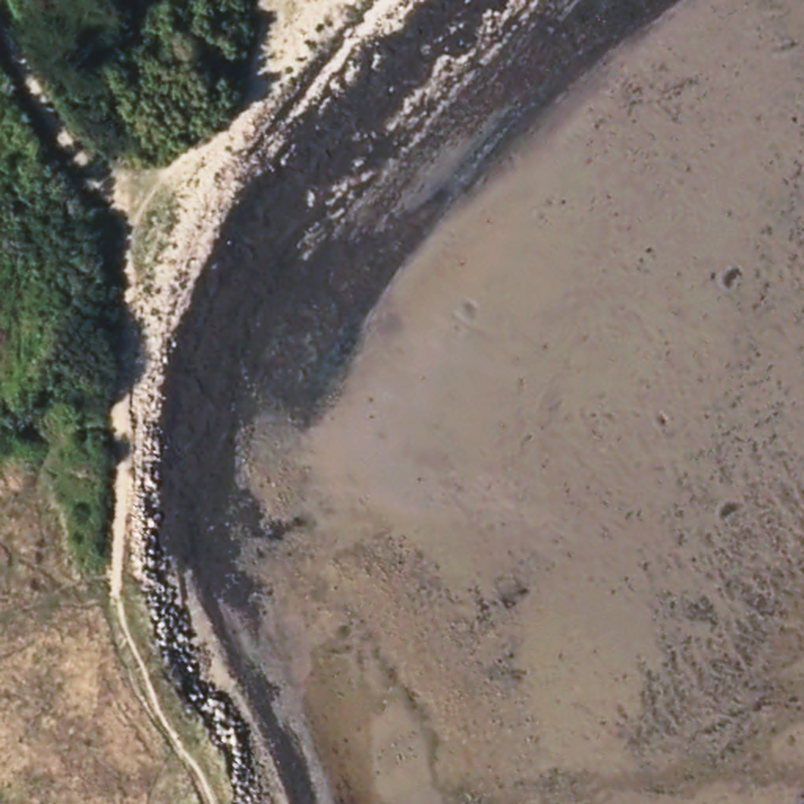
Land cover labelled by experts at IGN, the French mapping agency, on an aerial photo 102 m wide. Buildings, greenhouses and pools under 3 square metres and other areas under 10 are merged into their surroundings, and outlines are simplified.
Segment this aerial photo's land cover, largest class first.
<instances>
[{"label":"bare soil","instance_id":"1","mask_svg":"<svg viewBox=\"0 0 804 804\"><path fill-rule=\"evenodd\" d=\"M261 9L273 13V25L264 44V66L273 75L267 97L242 110L226 132L179 154L170 166L113 173L107 179H91L88 188L113 201V207L122 210L129 220L126 305L144 323L148 358L141 380L126 396L119 402L129 415V430L122 433V440L129 443V455L119 462V471L132 477L144 506V565L132 572V546H122L126 619L132 638L138 641V650L144 653L157 697L176 722L185 747L201 763L204 776H195V769L176 757L170 732L151 713V707L138 710V700L144 697L141 672L119 644L107 568H79L69 509L57 499L50 477H41L38 487H28L22 481V459H6L0 474V804H804V0H261Z\"/></svg>","mask_w":804,"mask_h":804},{"label":"deciduous trees","instance_id":"2","mask_svg":"<svg viewBox=\"0 0 804 804\"><path fill-rule=\"evenodd\" d=\"M13 16L25 66L35 79H41L44 88H50L69 107L75 122L69 132L72 144L63 148L72 160L85 151L88 157L107 160L113 173L170 166L179 154L226 132L242 110L267 97L273 75L264 66V44L273 25V13L261 9V0H3Z\"/></svg>","mask_w":804,"mask_h":804},{"label":"brushwood","instance_id":"3","mask_svg":"<svg viewBox=\"0 0 804 804\"><path fill-rule=\"evenodd\" d=\"M0 210L16 217L19 239L25 251L35 254L38 270L44 267V261L60 264V270L50 273L44 283L63 302V320L57 327L53 352L50 358H44L38 374L41 389H19L22 415L13 411L0 396V474L6 459H22V481L28 487H38L41 477H50L57 499L69 509L79 568H107L110 556L97 553L107 459L101 446V430L113 421V405L119 402L126 396L116 386L119 371L113 349L107 336L94 327L91 305L101 295L104 270L91 239L94 210L82 207L66 192L63 176L44 166L38 138L25 126L19 107L9 101V79L0 69Z\"/></svg>","mask_w":804,"mask_h":804},{"label":"pervious surface","instance_id":"4","mask_svg":"<svg viewBox=\"0 0 804 804\"><path fill-rule=\"evenodd\" d=\"M0 69L9 79V101L19 107L25 126L38 138L44 166L63 176L66 192L82 207L94 210L91 239L104 270L101 295L91 305L94 327L107 336L113 349L119 371L116 386L126 396L141 380L148 358L144 323L126 305L129 220L122 210L113 207V201L88 188L91 179H107L113 173L107 160L88 157L85 151L72 160L63 148L72 144L69 132H60L63 122L50 104H38L35 94L44 88L41 79H35L25 66L13 16L3 0H0ZM129 430V415L119 402L113 405V421L101 430V446L107 459L97 553L110 556L107 568L119 644L141 672L144 697L138 700V710L151 707V713L170 732L176 757L195 769V776H204L201 763L185 747L176 722L157 697L144 653L138 650V641L132 638L126 619L122 546H132V572L144 565V506L132 477L119 471V462L129 455V443L122 440V433Z\"/></svg>","mask_w":804,"mask_h":804},{"label":"herbaceous vegetation","instance_id":"5","mask_svg":"<svg viewBox=\"0 0 804 804\"><path fill-rule=\"evenodd\" d=\"M38 104H50L63 122L60 132H69L75 122L69 107L50 88H44L35 94ZM60 270V264L44 261V267L38 270L35 254L25 251L19 239L16 217L0 210V396L13 411L22 415L19 389H41L38 374L44 358H50L53 352L57 327L63 320V302L44 283L50 273Z\"/></svg>","mask_w":804,"mask_h":804}]
</instances>
